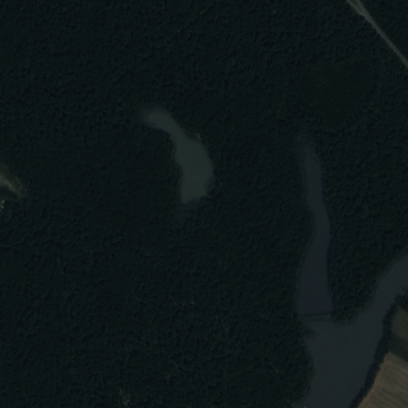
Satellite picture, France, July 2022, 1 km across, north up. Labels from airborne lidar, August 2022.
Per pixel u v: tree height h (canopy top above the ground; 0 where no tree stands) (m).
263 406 19
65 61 21
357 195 26
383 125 28
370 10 14
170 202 21
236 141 23
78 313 23
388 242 24
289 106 6
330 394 0
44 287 23
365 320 0
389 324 19
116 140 28
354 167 27
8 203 16
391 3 26
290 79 11
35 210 22
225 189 26
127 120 25
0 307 24
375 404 0
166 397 21
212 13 26
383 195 19
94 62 21
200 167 0
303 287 0
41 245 21
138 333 19
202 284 27
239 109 24
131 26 25
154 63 22
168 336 22
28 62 22
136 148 27
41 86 29
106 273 28
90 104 17
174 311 24
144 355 25
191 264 23
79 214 23
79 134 28
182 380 19
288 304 20
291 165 21
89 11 19
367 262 22
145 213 31
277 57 25
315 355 0
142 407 25
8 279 24
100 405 22
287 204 26
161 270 26
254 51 19
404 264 0
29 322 23
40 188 22
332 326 0
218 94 27
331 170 24
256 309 24
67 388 18
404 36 15
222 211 28
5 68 20
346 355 0
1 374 24
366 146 25
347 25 27
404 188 20
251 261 15
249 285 26
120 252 25
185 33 22
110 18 27
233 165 24
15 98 21
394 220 20
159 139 22
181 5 20
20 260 26
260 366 23
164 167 27
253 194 27
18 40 17
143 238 27
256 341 27
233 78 19
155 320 25
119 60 25
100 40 22
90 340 26
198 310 27
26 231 26
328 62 16
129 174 25
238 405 19
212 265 19
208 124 25
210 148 8
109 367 22
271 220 25
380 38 18
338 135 18
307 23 15
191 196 0
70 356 20
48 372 22
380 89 20
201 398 22
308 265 0
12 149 22
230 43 24
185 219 8
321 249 0
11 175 0
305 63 20
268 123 22
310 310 0
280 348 25
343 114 5
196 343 22
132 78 26
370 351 0
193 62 19
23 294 21
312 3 21
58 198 28
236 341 22
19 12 22
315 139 8
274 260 27
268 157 24
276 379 22
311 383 0
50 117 26
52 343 19
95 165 27
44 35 21
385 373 0
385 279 0
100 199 25
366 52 22
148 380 27
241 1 23
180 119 23
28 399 20
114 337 18
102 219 29
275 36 22
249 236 26
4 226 24
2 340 22
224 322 20
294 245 21
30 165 24
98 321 24
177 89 21
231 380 21
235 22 23
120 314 25
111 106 15
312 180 0
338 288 22
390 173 16
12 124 24
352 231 21
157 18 23
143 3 20
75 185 29
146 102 13
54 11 22
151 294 26
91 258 18
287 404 19
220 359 23
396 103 22
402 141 22
